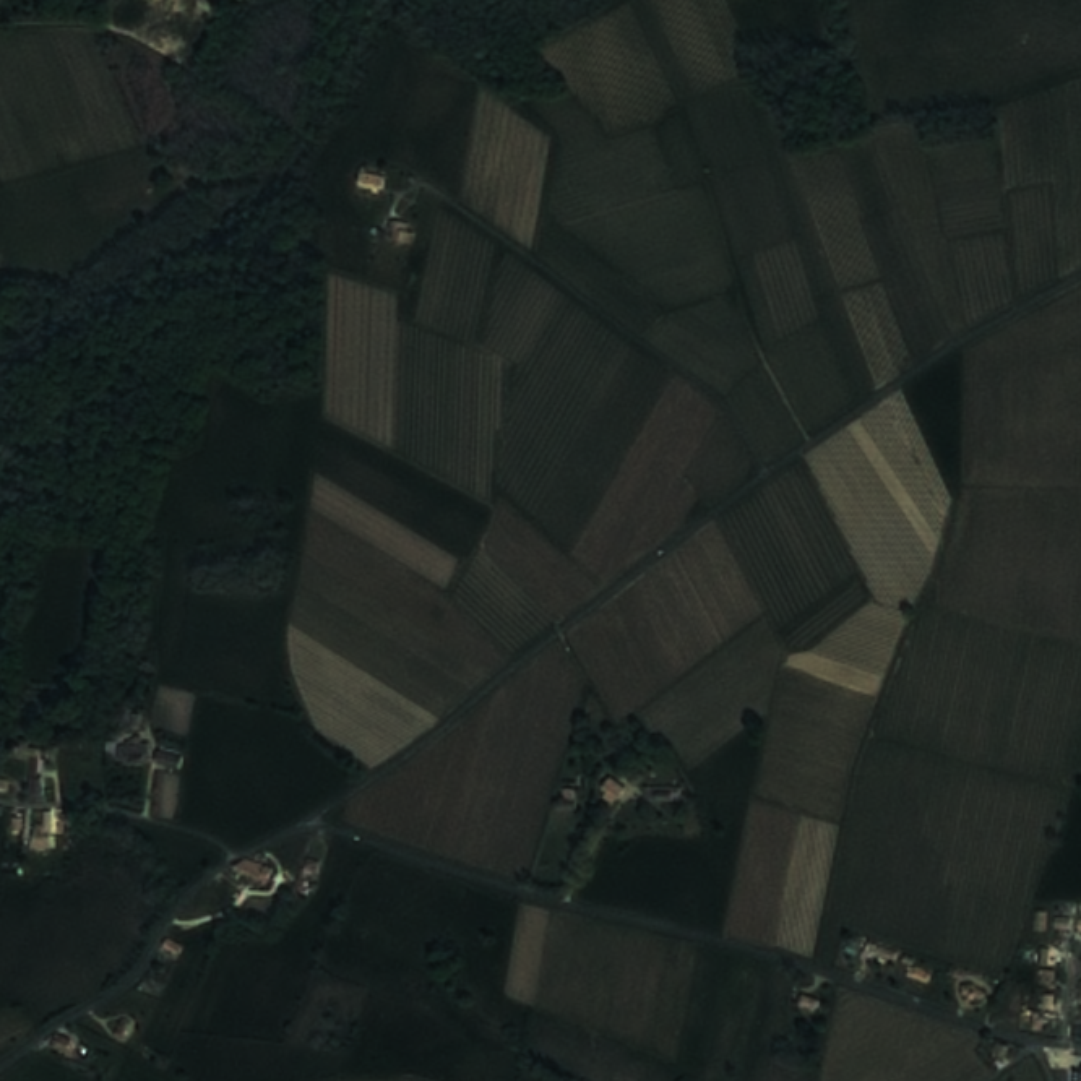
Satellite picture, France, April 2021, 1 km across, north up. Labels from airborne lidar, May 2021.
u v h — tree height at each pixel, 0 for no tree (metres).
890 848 0
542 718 0
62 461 19
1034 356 0
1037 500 0
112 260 19
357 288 0
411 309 0
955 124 19
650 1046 0
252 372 22
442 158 0
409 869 0
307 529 0
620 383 0
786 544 0
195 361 21
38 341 21
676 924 0
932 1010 0
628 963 0
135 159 0
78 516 19
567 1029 0
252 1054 0
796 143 18
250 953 0
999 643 0
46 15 20
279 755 0
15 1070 0
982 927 0
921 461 0
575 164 0
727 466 0
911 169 0
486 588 0
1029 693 0
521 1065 8
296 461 0
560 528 0
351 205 0
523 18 14
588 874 21
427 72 0
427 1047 0
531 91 16
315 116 20
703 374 0
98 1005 0
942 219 0
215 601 0
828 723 0
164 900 9
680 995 0
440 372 0
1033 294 0
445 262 0
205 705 0
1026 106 0
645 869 0
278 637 0
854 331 0
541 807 0
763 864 0
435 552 0
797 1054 14
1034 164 0
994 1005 10
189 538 0
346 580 0
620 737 13
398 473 0
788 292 0
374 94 0
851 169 0
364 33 17
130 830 20
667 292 0
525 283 0
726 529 0
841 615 0
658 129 0
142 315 23
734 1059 0
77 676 22
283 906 15
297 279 12
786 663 0
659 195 0
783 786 0
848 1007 0
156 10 0
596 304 0
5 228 0
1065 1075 0
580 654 0
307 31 15
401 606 0
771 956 0
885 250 0
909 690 0
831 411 0
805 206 0
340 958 0
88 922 0
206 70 17
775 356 0
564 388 0
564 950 0
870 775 0
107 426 23
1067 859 0
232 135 11
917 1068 0
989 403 0
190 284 17
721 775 0
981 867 0
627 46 0
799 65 14
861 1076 0
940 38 0
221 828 0
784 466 0
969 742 0
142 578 17
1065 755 0
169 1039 0
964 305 0
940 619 0
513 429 0
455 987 9
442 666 0
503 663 0
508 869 0
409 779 0
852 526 0
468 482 0
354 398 0
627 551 0
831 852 0
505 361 0
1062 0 0
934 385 0
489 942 9
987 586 0
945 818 0
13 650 16
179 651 0
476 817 0
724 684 0
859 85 18
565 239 0
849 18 14
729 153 0
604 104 0
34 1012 0
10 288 25
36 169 0
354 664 0
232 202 19
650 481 0
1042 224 0
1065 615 0
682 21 0
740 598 0
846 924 0
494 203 0
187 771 0
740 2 0
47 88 0
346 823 0
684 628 0
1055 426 0
